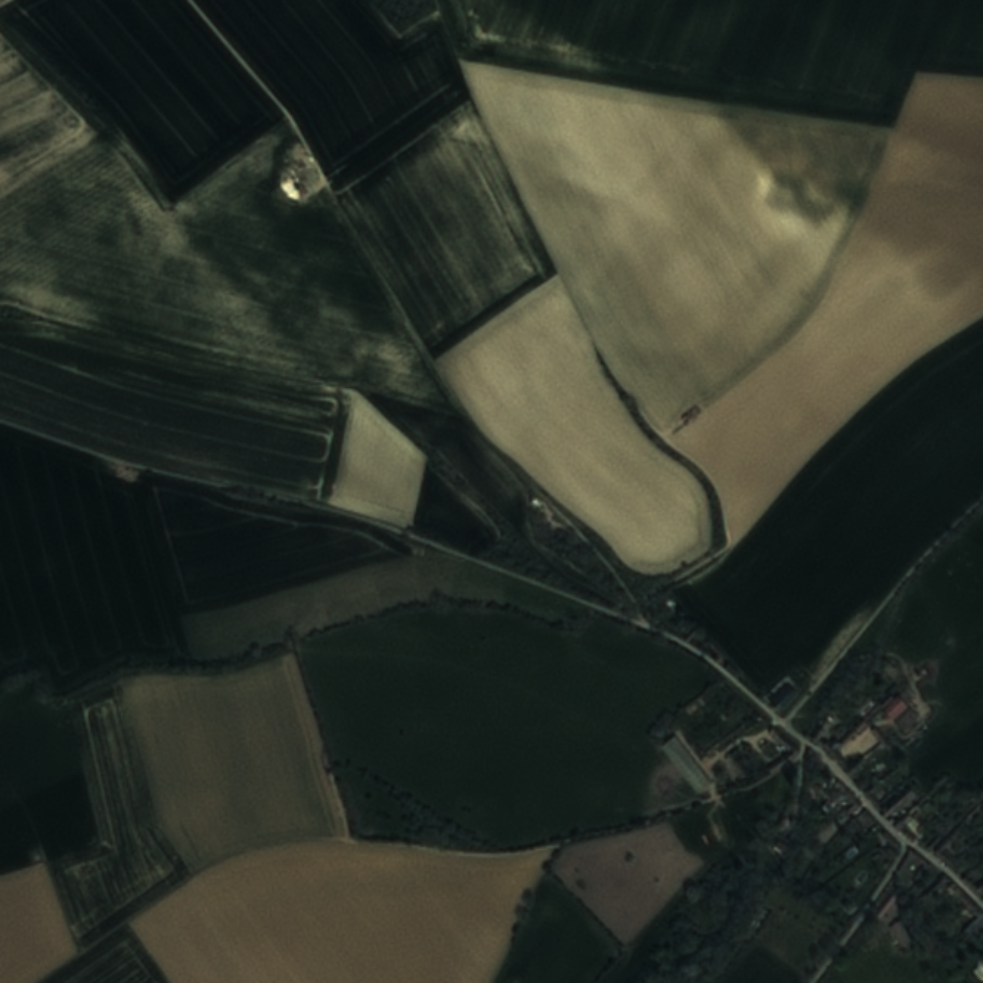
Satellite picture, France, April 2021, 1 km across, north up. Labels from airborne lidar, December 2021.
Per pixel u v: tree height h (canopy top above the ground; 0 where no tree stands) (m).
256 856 0
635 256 0
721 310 0
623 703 0
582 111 0
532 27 0
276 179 0
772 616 0
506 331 0
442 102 0
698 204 0
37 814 0
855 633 0
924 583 0
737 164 0
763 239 0
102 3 0
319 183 0
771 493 0
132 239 0
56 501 0
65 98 0
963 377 0
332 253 0
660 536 0
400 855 0
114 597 0
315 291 0
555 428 0
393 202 0
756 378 0
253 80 0
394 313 0
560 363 0
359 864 0
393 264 0
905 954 12
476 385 0
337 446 0
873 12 0
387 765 0
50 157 0
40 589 0
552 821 0
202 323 0
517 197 0
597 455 0
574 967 0
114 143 0
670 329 0
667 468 0
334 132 0
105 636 0
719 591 0
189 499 0
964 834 6
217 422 0
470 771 0
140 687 0
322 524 0
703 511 0
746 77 0
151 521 0
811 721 0
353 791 0
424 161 0
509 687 0
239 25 0
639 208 0
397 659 0
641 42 0
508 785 0
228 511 0
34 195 0
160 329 0
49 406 0
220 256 0
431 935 0
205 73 0
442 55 0
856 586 0
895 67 0
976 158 0
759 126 0
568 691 0
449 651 0
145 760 0
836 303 0
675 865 0
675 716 8
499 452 0
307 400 0
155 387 0
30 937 0
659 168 0
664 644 17
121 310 0
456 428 0
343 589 0
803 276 0
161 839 0
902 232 0
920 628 0
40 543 0
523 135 0
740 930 28
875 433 0
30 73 0
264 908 0
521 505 0
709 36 0
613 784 0
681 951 6
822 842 13
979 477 0
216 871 0
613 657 0
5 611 0
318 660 0
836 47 0
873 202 0
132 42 0
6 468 0
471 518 0
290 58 0
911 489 0
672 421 0
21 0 0
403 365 0
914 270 0
